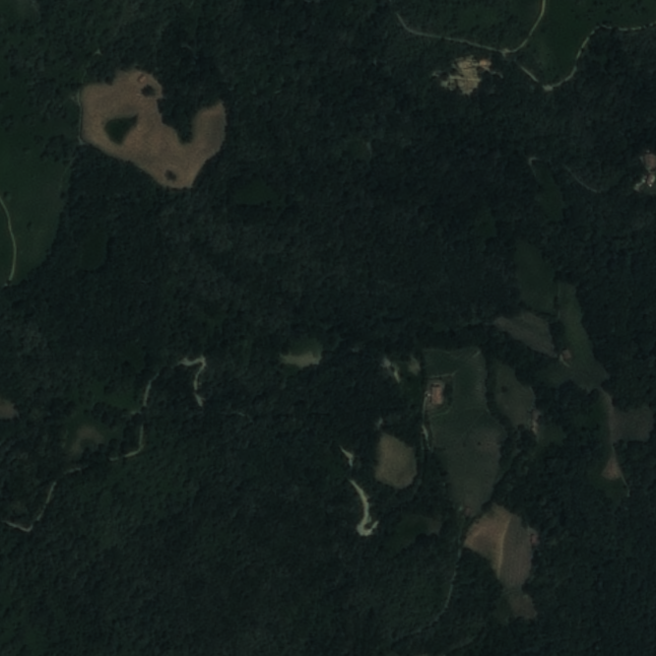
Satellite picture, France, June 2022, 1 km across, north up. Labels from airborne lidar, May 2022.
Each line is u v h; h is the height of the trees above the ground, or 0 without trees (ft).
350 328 60
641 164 52
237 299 55
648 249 60
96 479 20
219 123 0
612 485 0
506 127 35
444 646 55
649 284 54
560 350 30
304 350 0
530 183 47
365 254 31
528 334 0
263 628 26
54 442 47
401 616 33
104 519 24
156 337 65
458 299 45
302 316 98
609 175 20
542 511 57
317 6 43
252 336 56
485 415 0
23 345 48
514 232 64
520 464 49
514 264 29
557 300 27
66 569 45
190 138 56
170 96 45
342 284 56
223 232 43
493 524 0
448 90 17
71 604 39
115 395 27
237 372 56
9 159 0
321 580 53
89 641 26
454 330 66
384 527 65
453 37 32
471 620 29
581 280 46
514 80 44
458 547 43
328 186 52
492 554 0
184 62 47
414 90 66
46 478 34
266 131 63
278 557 31
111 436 0
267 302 61
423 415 21
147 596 51
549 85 22
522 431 34
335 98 41
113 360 71
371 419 59
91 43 20
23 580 25
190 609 42
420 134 69
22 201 0
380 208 61
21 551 45
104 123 0
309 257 33
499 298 55
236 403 72
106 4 24
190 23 22
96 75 27
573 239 41
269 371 50
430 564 30
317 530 46
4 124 33
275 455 70
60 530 28
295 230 59
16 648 26
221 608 38
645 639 43
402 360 23
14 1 0
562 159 67
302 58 49
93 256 0
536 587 27
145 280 64
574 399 58
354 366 38
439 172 50
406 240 33
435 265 37
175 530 31
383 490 51
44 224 0
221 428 45
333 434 30
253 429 52
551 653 69
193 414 49
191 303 50
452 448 0
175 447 25
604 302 59
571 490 46
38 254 0
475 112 49
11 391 61
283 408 69
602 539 54
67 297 82
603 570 76
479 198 61
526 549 0
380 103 59
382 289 45
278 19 70
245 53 38
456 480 0
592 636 90
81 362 57
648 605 37
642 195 22
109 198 64
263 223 51
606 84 37
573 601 60
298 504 58
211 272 58
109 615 33
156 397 31
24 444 65
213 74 51
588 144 18
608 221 51
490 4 26
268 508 60
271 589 35
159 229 34
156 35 41
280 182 43
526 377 68
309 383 66
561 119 20
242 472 54
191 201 52
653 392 60
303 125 62
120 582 19
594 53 30
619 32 48
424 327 47
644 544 37
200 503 42
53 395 30
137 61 41
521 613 0
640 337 94
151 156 0
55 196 0
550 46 0
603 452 35
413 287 46
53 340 58
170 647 30
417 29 25
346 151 69
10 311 54
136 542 23
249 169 67
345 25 54
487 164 66
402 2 39
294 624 43
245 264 56
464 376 0
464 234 77
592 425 0
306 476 76
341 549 66
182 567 40
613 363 73
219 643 38
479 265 46
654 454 65
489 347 62
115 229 68
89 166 53
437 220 66
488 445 0
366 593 22
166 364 44
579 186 28
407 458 0
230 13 49
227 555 40
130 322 70
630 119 52
